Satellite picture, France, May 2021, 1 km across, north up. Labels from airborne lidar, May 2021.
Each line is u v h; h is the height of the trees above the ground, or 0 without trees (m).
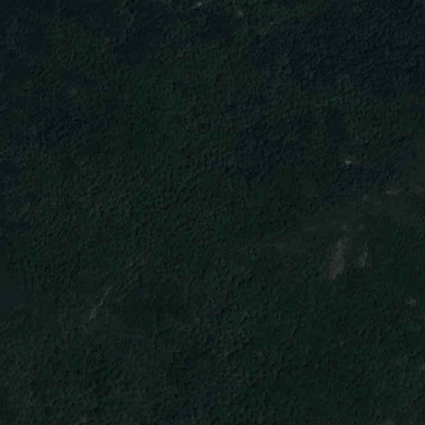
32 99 15
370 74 13
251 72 16
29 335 13
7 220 10
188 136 12
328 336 14
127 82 23
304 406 26
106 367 10
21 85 16
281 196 12
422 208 8
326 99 18
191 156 17
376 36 16
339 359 23
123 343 14
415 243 18
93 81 11
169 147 14
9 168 12
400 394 17
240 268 14
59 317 12
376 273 22
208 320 19
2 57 16
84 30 16
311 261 13
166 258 13
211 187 21
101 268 11
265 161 22
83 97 7
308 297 18
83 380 10
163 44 15
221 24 16
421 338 18
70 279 13
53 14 14
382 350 22
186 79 19
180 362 18
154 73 22
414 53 17
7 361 6
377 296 23
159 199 17
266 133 8
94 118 12
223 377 8
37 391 20
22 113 7
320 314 23
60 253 13
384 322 18
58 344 9
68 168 10
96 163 16
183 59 9
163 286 9
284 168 18
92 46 14
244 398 11
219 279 16
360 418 21
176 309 8
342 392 27
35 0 14
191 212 12
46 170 15
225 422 17
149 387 14
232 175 12
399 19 13
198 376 8
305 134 15
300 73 12
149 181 16
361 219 7
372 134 17
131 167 9
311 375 28
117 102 19
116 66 19
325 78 9
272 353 21
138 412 9
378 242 8
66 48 14
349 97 21
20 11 12
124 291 12
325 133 21
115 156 14
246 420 17
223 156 19
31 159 7
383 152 11
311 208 7
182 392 7
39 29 13
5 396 8
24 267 15
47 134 24
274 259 9
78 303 7
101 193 14
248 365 20
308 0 18
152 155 10
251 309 21
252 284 22
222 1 11
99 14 16
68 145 9
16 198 10
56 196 19
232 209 19
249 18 24
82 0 15
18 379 20
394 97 8
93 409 8
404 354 13
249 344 18
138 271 9
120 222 19
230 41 16
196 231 21
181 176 24
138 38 18
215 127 14
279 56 13
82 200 11
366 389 26
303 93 17
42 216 14
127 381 6
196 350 20
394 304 17
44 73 11
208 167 17
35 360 18
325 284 16
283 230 11
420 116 7
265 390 23
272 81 14
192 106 14
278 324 20
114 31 17
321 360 15
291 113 18
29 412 15
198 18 17
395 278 14
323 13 16
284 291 14
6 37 21
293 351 23
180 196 21
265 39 17
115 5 15
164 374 18
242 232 12
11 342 15
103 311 8
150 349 11
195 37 19
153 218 16
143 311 11
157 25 20
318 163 17
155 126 12
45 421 15
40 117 11
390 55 13
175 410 10
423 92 7
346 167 12
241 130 6
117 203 20
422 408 15
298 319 16
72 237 20
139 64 12
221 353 16
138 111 19
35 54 15
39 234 16
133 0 9
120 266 18
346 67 10
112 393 18
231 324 20
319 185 9
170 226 14
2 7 9
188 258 10
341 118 17
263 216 19
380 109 17
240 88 15
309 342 15
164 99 19
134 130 22
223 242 12
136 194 15
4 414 7
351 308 23
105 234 16
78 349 13
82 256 13
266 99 17
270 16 11
